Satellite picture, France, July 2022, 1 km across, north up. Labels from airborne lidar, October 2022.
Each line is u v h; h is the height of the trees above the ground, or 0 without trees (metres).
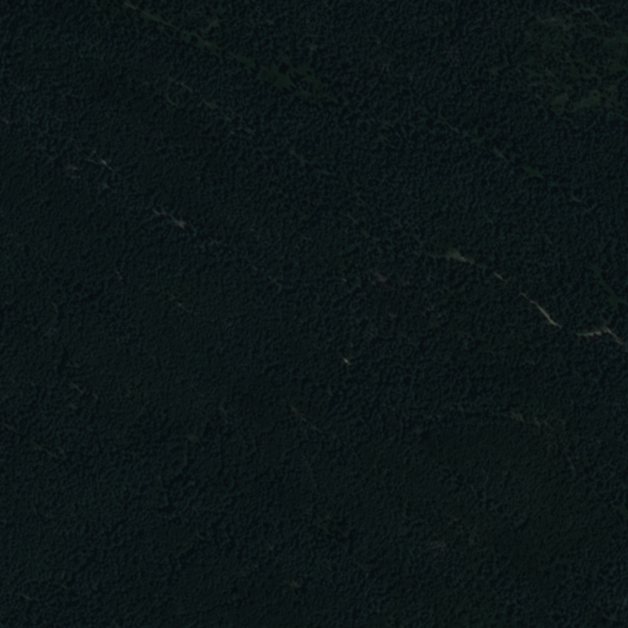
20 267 23
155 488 27
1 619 23
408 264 27
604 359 22
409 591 23
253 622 25
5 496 27
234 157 29
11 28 12
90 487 18
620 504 16
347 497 22
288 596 24
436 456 28
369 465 22
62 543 24
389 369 25
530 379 22
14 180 24
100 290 16
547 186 26
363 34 20
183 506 25
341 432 23
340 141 26
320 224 25
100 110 19
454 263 16
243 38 17
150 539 26
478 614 22
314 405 28
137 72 24
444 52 24
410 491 23
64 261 27
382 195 26
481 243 21
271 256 27
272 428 17
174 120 25
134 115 19
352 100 21
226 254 30
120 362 22
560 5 21
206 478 18
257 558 22
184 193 25
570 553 12
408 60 21
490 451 22
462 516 20
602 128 25
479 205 23
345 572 25
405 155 28
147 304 24
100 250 27
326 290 25
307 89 28
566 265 29
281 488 26
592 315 26
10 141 27
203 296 15
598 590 28
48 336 28
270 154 22
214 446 13
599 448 21
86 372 15
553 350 19
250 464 24
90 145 31
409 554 21
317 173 23
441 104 26
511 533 24
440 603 15
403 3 32
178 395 22
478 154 19
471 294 24
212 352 29
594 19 9
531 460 21
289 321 25
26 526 26
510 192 27
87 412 20
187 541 28
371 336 29
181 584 29
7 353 16
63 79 23
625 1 20
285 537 25
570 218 16
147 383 18
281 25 24
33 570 25
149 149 23
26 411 15
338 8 19
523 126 28
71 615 22
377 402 21
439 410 22
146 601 34
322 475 20
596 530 15
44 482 17
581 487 20
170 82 19
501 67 8
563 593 27
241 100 21
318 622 28
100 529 27
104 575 34
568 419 21
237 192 21
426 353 27
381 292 19
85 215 33
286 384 33
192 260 24
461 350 20
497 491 22
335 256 25
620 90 14
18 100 26
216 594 25
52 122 34
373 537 22
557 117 30
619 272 10
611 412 24
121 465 26
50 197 21
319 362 26
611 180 24
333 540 26
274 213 18
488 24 22
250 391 29
